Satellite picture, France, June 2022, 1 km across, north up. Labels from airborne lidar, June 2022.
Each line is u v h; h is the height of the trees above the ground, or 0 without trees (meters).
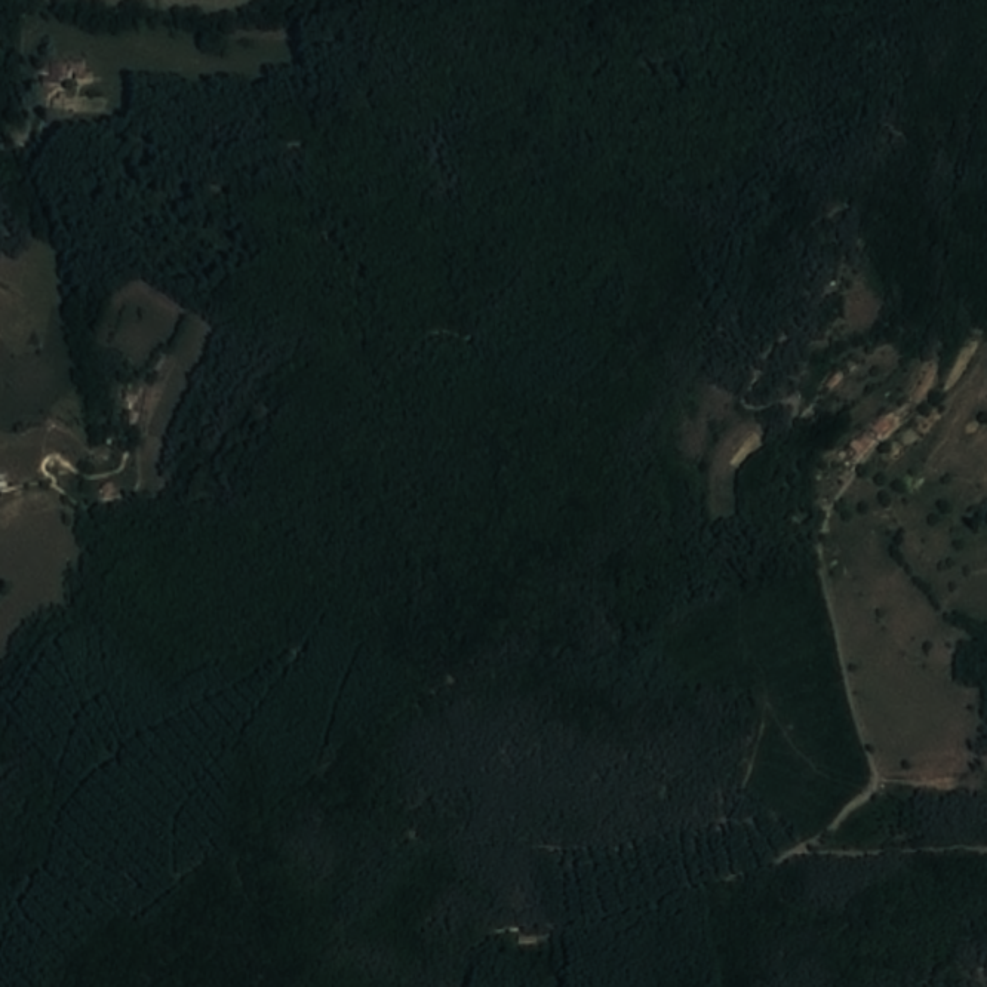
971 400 0
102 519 12
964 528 0
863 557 0
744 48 24
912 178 19
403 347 17
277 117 19
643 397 14
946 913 16
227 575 16
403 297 12
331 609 13
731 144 20
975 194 18
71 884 19
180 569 15
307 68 36
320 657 14
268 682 20
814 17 17
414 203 15
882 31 16
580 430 10
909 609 0
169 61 0
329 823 13
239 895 9
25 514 0
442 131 12
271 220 13
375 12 20
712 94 22
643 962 23
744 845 20
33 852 11
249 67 0
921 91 14
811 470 19
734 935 17
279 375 13
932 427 0
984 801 12
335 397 13
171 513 16
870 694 0
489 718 12
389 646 10
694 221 16
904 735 0
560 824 13
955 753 0
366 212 13
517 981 37
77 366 7
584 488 14
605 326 10
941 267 18
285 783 16
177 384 0
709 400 0
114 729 22
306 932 15
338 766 6
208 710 21
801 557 19
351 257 21
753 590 19
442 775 13
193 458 9
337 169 21
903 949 17
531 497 16
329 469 15
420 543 14
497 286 17
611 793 12
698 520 13
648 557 24
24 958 21
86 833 19
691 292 11
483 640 15
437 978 18
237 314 10
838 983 22
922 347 8
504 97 16
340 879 16
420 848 30
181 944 8
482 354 11
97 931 19
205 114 33
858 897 16
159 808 17
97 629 20
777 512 20
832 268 12
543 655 20
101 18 19
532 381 12
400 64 18
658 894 24
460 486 15
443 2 13
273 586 16
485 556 13
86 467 12
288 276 15
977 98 7
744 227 20
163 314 0
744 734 21
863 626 0
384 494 10
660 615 25
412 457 17
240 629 15
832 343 6
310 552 18
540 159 13
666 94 19
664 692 22
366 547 16
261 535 11
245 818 13
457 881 17
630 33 20
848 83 17
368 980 9
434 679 11
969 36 14
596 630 26
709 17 20
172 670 14
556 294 11
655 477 21
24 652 13
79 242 32
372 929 13
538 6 26
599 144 15
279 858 12
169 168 34
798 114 18
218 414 16
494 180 13
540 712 10
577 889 22
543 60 16
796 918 16
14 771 10
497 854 19
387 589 14
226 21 23
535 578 19
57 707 20
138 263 27
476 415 14
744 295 18
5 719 14
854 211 14
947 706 0
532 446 14
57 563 0
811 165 16
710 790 15
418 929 22
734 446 0
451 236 16
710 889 19
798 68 21
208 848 14
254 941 9
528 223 12
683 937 25
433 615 11
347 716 12
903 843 10
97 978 9
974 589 0
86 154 28
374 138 14
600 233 12
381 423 19
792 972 17
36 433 0
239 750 15
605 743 18
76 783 17
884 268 13
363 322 20
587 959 28
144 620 14
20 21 15
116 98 0
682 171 16
